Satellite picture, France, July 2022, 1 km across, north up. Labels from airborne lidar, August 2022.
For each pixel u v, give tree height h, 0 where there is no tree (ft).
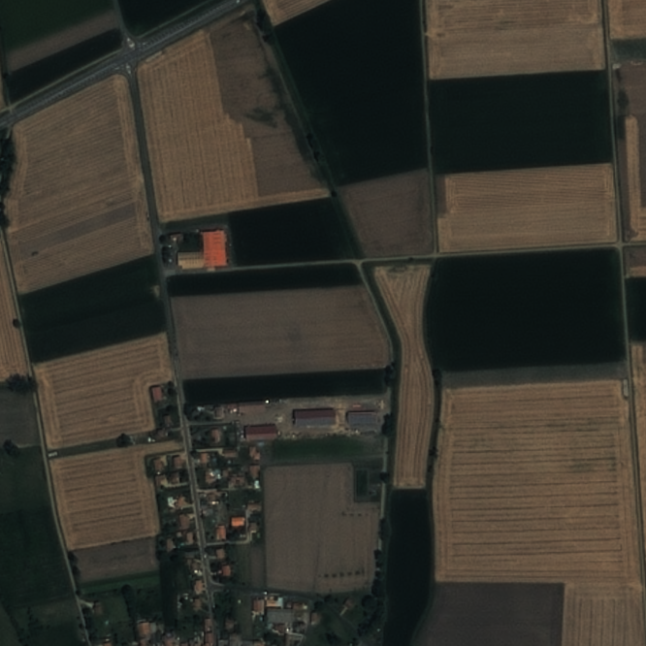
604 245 0
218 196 0
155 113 0
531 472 0
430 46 0
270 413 0
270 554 0
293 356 0
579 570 0
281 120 0
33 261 0
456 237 0
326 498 0
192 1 0
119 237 0
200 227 0
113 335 0
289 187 0
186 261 0
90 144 0
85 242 0
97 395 0
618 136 0
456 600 0
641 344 0
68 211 0
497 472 0
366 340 0
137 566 0
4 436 0
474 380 0
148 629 0
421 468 0
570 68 0
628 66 0
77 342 0
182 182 0
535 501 0
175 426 0
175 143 0
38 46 0
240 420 0
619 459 0
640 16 0
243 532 21
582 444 0
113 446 0
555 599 0
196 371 0
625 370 0
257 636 0
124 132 0
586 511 0
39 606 0
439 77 0
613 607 0
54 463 0
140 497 0
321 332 0
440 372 38
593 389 0
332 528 0
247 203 0
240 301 0
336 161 0
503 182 0
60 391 0
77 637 0
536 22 0
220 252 0
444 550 0
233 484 0
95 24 0
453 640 0
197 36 0
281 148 0
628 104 0
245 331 0
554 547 0
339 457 0
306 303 0
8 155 45
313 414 0
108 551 0
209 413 0
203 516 18
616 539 0
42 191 0
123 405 0
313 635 0
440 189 0
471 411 0
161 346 0
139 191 0
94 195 0
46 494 0
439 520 0
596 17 0
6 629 0
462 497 0
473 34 0
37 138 0
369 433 0
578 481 0
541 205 0
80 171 0
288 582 0
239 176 0
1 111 0
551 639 0
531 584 0
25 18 0
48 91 0
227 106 0
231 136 0
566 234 0
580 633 0
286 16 0
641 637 0
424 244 0
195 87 0
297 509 0
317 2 0
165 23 0
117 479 0
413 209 0
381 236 0
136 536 0
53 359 0
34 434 0
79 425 0
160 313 0
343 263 0
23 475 0
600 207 0
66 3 0
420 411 0
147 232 0
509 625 0
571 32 0
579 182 0
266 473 0
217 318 0
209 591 0
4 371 0
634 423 0
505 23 0
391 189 0
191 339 0
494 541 0
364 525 0
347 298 0
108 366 0
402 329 0
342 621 0
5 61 0
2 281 0
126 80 0
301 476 0
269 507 0
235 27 0
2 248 0
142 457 0
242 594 0
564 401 0
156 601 0
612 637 0
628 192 0
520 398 0
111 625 0
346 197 0
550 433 0
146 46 0
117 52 0
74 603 0
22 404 0
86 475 0
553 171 0
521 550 0
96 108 0
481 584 0
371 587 0
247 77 0
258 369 0
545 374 0
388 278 0
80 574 60
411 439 0
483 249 0
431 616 0
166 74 0
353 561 0
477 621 0
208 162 0
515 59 0
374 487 0
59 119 0
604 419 0
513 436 0
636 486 0
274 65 0
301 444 0
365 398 0
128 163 0
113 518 0
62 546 0
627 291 0
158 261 0
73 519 0
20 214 0
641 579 0
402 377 0
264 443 0
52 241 0
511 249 0
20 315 0
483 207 0
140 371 0
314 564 0
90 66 0
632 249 0
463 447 0
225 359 0
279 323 0
